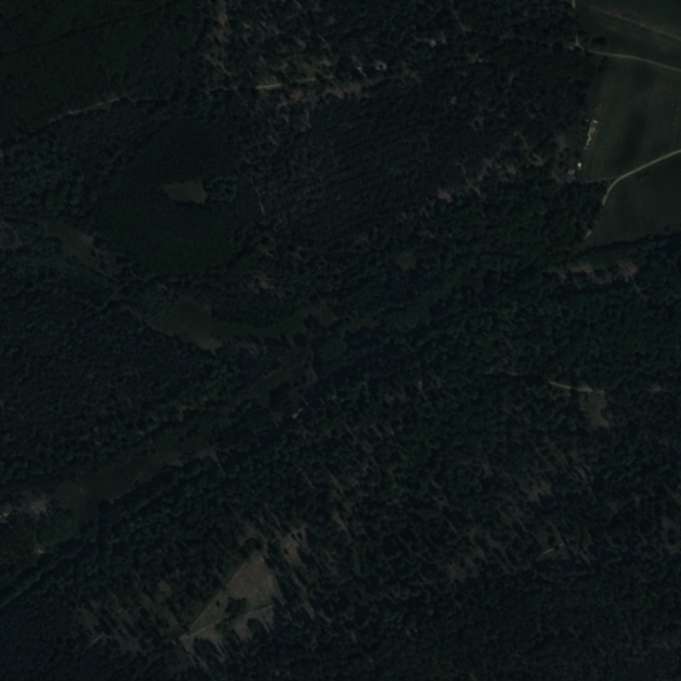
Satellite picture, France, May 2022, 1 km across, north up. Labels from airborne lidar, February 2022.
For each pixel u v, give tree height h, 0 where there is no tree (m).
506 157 29
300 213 9
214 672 34
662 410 13
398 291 25
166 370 13
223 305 16
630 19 0
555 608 28
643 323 32
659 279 29
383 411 9
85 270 17
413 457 31
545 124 13
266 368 11
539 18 15
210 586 34
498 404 30
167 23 17
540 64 11
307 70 0
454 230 23
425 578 36
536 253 28
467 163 10
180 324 0
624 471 12
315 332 14
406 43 21
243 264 24
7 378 13
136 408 10
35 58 16
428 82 10
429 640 29
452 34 20
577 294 28
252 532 0
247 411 11
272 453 31
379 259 26
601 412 0
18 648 16
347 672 28
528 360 13
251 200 14
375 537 34
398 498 37
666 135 0
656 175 0
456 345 32
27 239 23
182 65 12
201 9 12
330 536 35
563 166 8
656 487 8
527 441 36
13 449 13
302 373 0
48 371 11
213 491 32
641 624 25
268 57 32
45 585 20
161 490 17
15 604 23
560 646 28
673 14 0
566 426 28
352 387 32
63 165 27
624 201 0
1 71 17
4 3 15
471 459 26
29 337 14
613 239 0
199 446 0
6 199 31
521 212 25
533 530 31
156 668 10
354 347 27
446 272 14
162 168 16
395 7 13
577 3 0
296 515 34
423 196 9
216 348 0
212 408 15
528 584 33
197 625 0
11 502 31
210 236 17
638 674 12
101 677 14
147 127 14
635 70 0
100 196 14
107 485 0
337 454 27
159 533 38
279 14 26
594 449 34
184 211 17
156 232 15
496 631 24
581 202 13
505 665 32
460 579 0
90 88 14
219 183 22
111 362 12
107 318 17
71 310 17
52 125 8
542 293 17
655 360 28
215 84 11
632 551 33
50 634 15
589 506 29
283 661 30
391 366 38
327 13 12
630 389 32
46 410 10
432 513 35
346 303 14
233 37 8
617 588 23
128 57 13
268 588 0
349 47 25
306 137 10
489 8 16
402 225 10
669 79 0
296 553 0
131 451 27
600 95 0
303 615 0
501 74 9
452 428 29
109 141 16
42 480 24
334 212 8
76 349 15
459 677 31
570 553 0
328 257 10
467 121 12
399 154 11
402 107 12
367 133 11
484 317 29
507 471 32
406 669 27
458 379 31
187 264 16
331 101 10
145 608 0
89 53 18
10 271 13
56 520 24
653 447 7
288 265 7
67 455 17
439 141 12
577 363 31
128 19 16
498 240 25
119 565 32
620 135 0
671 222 0
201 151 18
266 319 20
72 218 25
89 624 0
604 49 14
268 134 15
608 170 0
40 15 16
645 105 0
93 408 8
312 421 24
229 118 15
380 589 37
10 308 13
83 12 13
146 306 16
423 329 31
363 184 12
